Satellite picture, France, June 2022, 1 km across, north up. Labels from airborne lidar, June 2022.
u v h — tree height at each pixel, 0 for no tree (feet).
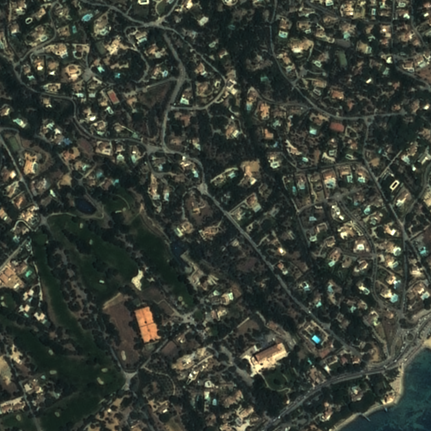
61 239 0
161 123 40
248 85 27
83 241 40
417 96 35
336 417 50
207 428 53
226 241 25
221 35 21
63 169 61
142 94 27
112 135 36
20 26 23
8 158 32
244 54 27
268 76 48
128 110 30
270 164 26
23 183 38
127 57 24
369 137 24
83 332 0
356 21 43
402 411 0
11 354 20
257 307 34
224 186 27
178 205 19
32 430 0
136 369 21
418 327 0
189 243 24
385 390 36
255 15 27
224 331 30
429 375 0
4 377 0
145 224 0
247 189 26
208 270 31
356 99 37
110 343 32
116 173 41
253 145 22
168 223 20
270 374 58
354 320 32
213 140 32
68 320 0
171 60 30
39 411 30
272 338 0
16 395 38
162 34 44
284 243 22
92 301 31
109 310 0
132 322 34
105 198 38
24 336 0
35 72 27
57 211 41
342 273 0
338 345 44
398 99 44
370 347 42
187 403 34
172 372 24
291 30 27
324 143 25
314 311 44
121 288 40
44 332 28
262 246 30
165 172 36
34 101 25
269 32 28
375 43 47
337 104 36
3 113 0
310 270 25
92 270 0
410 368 0
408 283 18
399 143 42
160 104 21
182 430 0
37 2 32
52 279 0
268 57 26
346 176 0
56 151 40
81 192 39
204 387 27
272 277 38
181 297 0
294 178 31
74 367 0
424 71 0
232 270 62
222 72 23
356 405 55
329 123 23
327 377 24
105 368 0
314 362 21
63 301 0
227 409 31
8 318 33
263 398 46
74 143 30
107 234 51
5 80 37
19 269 0
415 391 0
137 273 0
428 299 36
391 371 19
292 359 36
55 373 0
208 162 36
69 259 23
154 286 48
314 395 21
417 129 33
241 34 32
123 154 36
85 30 17
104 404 24
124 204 0
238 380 32
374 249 31
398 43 47
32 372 28
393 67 18
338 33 18
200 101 50
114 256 0
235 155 22
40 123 28
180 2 23
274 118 21
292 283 39
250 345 18
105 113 28
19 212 19
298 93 24
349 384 28
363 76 46
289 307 47
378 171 52
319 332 35
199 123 24
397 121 28
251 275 30
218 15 33
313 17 40
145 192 18
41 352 0
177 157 43
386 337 0
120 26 33
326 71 20
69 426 42
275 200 22
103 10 36
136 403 39
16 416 0
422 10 22
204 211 0
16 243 25
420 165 47
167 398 31
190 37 33
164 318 21
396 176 43
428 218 25
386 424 0
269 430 32
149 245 0
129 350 0
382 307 0
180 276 40
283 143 21
